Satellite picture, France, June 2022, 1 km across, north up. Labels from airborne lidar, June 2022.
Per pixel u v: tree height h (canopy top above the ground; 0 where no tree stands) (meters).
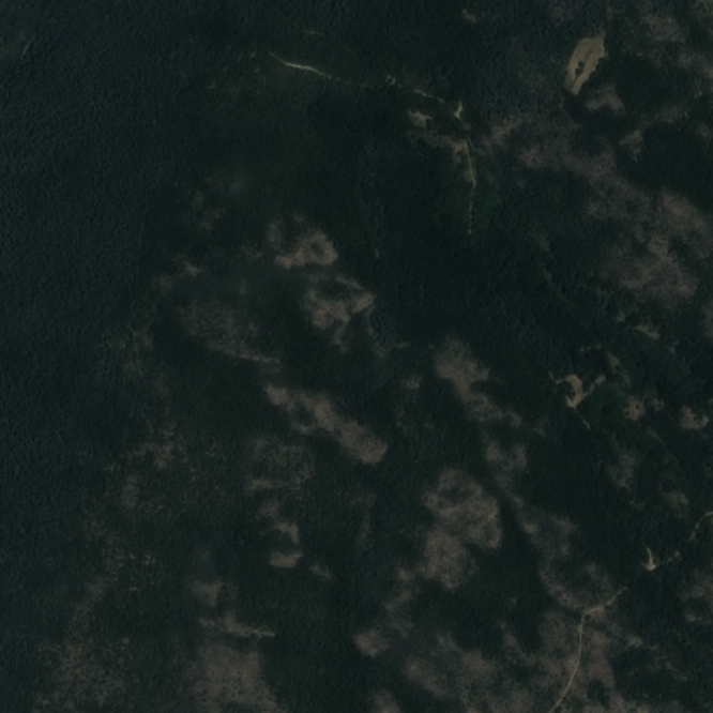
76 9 14
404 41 6
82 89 9
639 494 10
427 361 7
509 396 9
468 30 15
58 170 8
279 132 11
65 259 10
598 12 15
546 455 13
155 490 8
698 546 11
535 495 9
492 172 8
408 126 11
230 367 10
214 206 7
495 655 6
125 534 6
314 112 12
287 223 6
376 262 13
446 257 24
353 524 6
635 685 7
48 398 13
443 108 9
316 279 0
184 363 11
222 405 10
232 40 6
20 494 11
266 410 9
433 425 7
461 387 0
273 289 8
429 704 6
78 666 6
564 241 12
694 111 6
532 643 8
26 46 8
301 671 9
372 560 9
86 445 7
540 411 8
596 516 15
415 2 13
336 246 11
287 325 9
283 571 7
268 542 7
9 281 12
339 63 9
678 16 7
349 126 13
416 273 20
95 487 10
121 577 9
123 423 10
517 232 16
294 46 6
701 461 9
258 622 9
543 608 11
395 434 10
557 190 10
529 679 7
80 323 9
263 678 6
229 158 10
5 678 6
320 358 11
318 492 11
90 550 6
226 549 6
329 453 10
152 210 8
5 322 6
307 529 9
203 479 10
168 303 6
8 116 10
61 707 7
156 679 10
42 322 8
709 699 6
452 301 20
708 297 7
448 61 13
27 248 14
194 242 7
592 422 7
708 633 7
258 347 7
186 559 10
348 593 11
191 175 7
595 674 0
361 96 11
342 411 6
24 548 9
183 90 8
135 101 12
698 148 10
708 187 14
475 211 6
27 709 7
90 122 8
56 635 6
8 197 12
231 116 11
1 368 10
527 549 15
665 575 7
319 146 13
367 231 16
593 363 18
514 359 17
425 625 6
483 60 13
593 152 6
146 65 15
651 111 6
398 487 7
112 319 6
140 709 11
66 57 15
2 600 8
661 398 10
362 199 6
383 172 18
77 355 9
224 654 0
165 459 7
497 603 10
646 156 11
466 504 0
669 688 7
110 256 9
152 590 8
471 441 10
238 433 12
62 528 10
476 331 14
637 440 8
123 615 9
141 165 12
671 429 11
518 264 17
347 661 13
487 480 7
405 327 13
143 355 5
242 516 11
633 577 11
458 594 8
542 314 18
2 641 9
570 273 12
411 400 7
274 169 6
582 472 20
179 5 14
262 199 7
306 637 10
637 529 10
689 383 11
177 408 6
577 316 9
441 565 0
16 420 12
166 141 10
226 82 9
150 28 16
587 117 8
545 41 14
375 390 8
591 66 0
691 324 7
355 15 10
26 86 17
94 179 11
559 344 18
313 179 18
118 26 15
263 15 8
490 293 10
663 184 10
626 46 7
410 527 6
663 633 8
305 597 10
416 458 8
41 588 9
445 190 12
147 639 10
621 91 7
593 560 8
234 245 9
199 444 9
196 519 5
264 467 7
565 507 14
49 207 13
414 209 24
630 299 6
